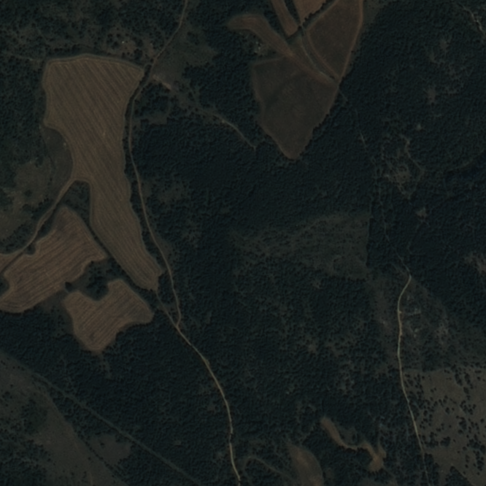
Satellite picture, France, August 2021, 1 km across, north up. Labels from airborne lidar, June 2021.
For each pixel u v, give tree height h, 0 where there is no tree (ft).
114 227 0
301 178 29
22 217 0
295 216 23
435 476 24
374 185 25
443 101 22
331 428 0
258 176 31
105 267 0
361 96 37
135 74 0
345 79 40
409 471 23
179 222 25
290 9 27
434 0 26
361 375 30
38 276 0
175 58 0
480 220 27
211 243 27
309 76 0
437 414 0
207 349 39
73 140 0
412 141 20
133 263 0
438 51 27
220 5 28
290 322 22
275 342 26
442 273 31
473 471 0
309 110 0
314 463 0
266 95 0
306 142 0
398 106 27
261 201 33
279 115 0
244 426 35
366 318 31
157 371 31
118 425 23
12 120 22
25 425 21
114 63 0
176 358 26
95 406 24
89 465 0
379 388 32
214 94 30
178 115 24
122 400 29
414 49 29
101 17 23
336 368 27
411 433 23
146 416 21
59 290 0
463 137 21
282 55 0
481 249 22
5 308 0
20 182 0
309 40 0
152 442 30
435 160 28
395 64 24
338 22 0
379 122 39
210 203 33
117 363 32
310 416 37
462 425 28
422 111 27
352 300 34
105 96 0
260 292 20
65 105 0
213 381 33
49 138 0
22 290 0
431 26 28
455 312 23
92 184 0
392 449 41
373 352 21
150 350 31
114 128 0
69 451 0
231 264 28
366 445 0
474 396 0
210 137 22
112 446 0
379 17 20
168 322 32
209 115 0
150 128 25
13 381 0
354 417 44
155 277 0
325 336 21
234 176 24
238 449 20
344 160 29
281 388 29
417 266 33
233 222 31
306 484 0
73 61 0
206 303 34
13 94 22
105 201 0
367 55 31
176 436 25
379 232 46
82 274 0
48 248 0
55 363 27
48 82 0
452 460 0
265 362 28
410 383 26
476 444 26
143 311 0
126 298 0
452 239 28
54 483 0
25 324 34
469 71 25
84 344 0
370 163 29
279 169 28
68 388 21
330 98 0
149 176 30
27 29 0
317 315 30
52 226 0
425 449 0
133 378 31
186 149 31
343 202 38
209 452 26
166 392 31
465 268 25
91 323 0
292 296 20
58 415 0
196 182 31
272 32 0
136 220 0
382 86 35
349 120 35
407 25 22
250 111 37
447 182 31
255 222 21
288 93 0
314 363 24
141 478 23
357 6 0
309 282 17
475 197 34
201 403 23
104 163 0
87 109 0
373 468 0
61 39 0
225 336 25
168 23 26
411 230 35
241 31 0
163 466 26
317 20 0
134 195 28
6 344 22
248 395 34
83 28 21
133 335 26
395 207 39
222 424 24
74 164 0
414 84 24
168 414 25
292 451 0
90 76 0
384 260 48
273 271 20
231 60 29
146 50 0
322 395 35
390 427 35
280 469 21
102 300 0
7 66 24
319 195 27
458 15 21
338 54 0
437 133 29
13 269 0
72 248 0
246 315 25
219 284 38
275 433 22
